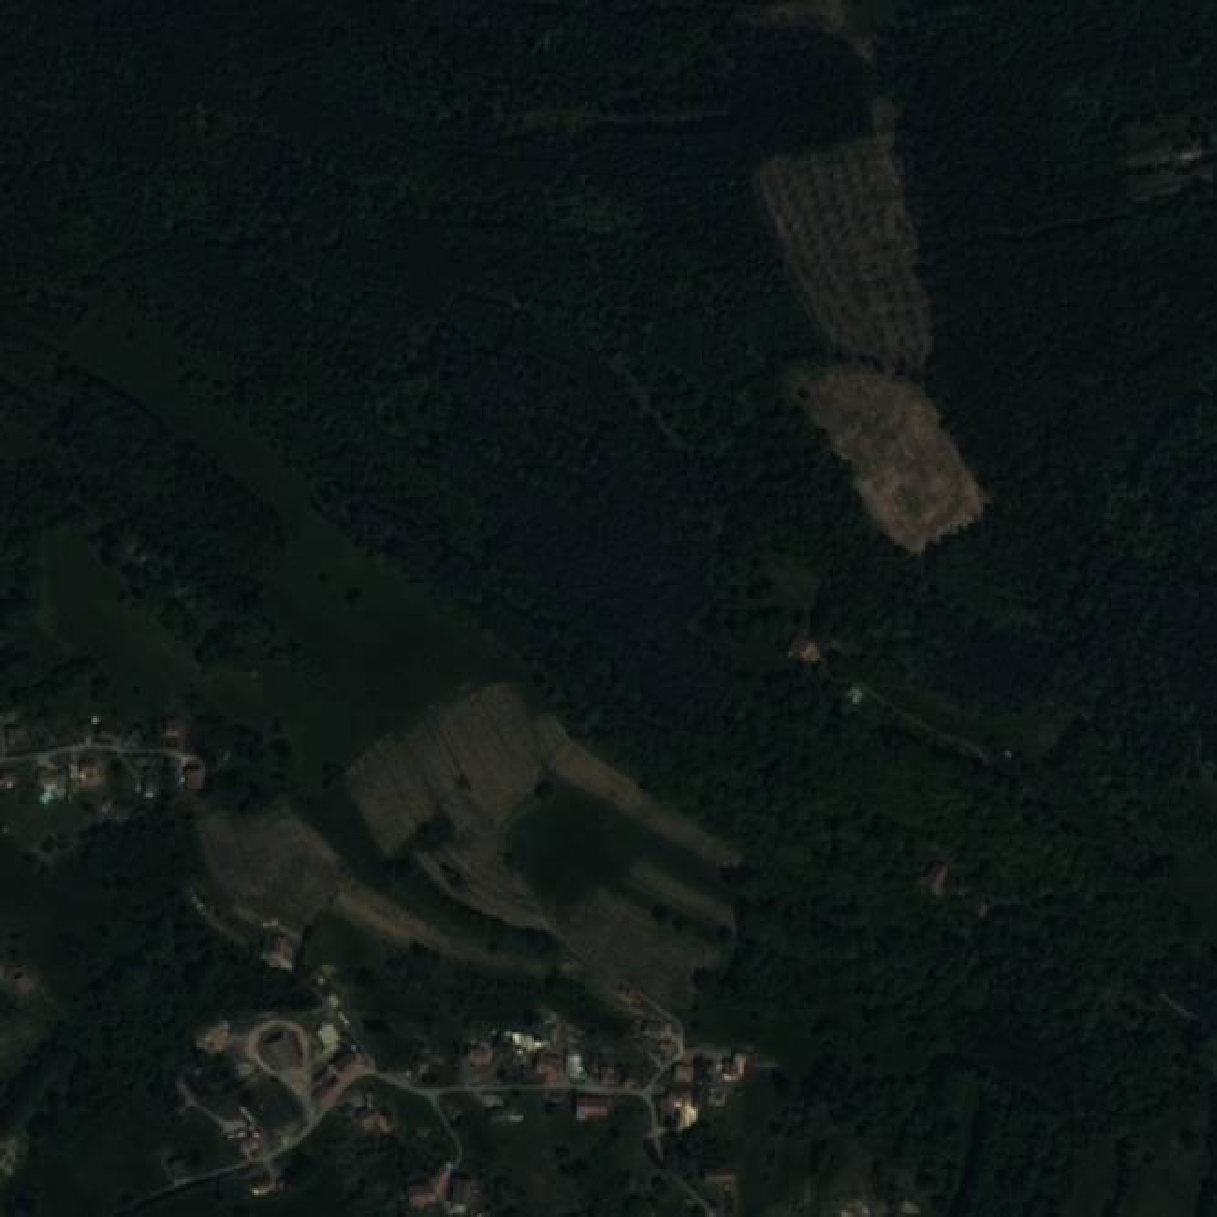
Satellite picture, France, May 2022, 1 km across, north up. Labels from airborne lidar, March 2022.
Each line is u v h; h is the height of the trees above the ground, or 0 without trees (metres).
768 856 20
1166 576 20
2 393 31
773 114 19
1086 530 11
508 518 20
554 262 9
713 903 0
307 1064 0
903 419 0
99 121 11
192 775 0
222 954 7
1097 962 25
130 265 11
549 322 16
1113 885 23
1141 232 15
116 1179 0
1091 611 18
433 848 0
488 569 15
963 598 16
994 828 25
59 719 6
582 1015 0
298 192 20
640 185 17
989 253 15
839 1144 0
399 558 23
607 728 20
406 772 0
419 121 14
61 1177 0
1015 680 26
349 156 15
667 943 0
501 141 16
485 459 28
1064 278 16
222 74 15
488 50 10
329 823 0
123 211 19
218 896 0
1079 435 10
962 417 11
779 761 21
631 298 10
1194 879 0
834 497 9
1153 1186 0
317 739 0
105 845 14
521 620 26
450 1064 0
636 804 0
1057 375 7
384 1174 0
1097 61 12
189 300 8
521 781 0
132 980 23
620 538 27
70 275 7
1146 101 14
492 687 0
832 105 18
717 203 19
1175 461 20
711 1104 0
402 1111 0
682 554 23
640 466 23
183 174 9
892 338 13
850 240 18
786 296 8
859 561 11
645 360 13
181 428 0
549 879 0
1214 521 23
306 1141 0
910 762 23
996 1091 26
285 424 11
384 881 0
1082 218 8
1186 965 20
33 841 0
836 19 18
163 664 0
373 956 0
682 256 12
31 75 11
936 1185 22
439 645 0
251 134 8
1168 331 6
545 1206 0
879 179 17
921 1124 13
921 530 0
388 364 9
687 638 27
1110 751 23
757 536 15
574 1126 0
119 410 30
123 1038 12
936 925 8
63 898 0
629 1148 0
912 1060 0
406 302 15
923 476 0
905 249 16
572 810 0
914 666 22
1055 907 22
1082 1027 22
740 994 22
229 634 19
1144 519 17
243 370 15
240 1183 0
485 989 7
